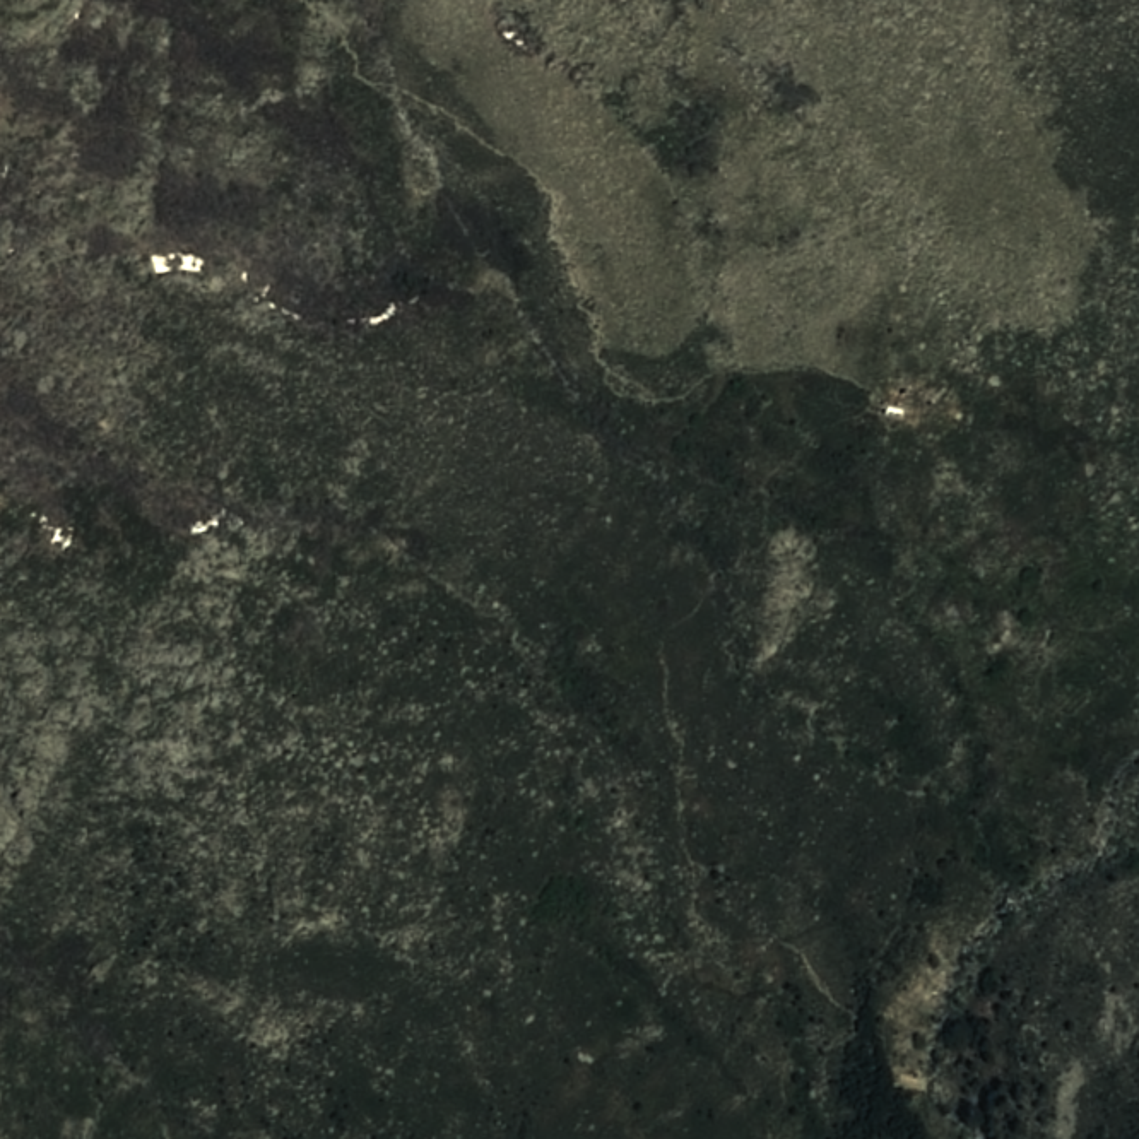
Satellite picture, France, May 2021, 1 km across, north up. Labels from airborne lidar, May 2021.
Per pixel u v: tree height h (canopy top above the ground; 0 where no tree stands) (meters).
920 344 0
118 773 0
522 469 0
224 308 0
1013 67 0
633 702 0
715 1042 0
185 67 7
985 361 0
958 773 0
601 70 0
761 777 0
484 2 0
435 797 0
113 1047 7
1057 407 0
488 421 0
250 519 11
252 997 0
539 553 0
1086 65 0
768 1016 0
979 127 0
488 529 0
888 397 0
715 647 0
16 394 11
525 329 0
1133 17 0
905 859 0
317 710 0
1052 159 0
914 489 0
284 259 7
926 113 0
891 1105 16
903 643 0
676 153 0
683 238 0
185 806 0
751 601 0
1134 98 0
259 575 0
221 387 0
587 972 0
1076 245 0
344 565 0
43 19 0
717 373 0
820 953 0
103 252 8
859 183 0
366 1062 0
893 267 0
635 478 0
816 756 0
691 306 0
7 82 5
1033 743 0
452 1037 0
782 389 0
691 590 0
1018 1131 16
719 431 0
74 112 8
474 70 0
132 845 0
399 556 0
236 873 0
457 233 6
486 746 0
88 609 0
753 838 0
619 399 0
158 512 8
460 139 0
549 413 0
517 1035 0
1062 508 0
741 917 0
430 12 0
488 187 0
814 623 0
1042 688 0
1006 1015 11
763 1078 0
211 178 8
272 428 0
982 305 0
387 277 11
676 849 0
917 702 0
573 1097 0
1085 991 0
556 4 0
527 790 0
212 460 0
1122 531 0
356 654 0
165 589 0
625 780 0
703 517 7
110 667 0
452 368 0
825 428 0
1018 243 0
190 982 0
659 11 0
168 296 0
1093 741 0
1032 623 11
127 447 8
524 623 0
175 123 8
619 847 0
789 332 0
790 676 0
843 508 0
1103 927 0
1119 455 0
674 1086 0
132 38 9
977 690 0
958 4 0
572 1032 0
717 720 0
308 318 6
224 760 0
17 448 7
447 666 0
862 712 0
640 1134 0
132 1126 0
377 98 0
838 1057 0
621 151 0
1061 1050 0
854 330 0
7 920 0
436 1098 0
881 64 0
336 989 0
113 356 0
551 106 0
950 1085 0
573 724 0
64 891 0
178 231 10
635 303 0
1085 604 0
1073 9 0
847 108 0
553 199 0
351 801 0
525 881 0
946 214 0
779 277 0
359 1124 0
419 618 0
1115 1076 5
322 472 0
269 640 0
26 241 5
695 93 0
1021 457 0
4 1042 0
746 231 0
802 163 0
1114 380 0
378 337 0
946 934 0
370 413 0
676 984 0
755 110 0
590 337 0
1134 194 0
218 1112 0
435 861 0
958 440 0
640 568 0
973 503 0
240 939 0
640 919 0
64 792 0
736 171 0
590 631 0
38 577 0
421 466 0
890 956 7
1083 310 0
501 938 0
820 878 0
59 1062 0
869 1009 12
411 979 0
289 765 0
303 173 6
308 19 0
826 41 0
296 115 7
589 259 0
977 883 0
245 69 7
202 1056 0
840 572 0
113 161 9
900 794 0
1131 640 0
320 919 0
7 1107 0
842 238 0
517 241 10
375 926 0
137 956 11
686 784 0
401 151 0
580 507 0
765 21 0
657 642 0
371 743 0
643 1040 0
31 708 0
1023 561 0
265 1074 0
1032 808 0
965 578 0
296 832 0
